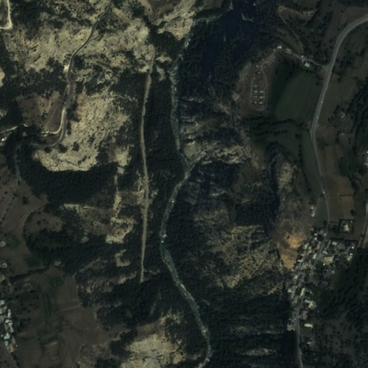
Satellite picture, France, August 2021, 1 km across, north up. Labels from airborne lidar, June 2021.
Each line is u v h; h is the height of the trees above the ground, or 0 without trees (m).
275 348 8
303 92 0
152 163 15
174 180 10
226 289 8
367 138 0
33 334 0
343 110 8
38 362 0
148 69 8
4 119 10
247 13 8
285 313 15
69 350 0
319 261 0
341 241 9
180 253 10
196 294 9
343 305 9
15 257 0
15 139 9
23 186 0
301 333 0
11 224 0
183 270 7
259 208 10
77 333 0
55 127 0
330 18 7
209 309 10
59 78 6
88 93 7
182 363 8
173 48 7
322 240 14
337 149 0
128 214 9
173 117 0
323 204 0
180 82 12
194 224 6
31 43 0
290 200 0
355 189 11
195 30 15
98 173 14
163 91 14
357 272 8
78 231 9
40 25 7
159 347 0
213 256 7
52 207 11
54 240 12
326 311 11
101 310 8
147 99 10
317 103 0
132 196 0
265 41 11
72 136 0
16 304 0
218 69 11
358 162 0
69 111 9
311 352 8
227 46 13
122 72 7
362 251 9
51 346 0
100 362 12
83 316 0
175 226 16
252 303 11
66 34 0
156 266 14
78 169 8
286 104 0
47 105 0
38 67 0
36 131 12
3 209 0
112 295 6
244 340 11
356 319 11
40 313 0
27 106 0
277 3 8
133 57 7
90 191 10
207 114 9
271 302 10
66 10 8
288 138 0
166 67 9
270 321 8
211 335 10
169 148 11
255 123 0
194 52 12
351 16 0
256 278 8
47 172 15
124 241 13
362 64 0
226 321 12
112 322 8
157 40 8
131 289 13
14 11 8
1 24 6
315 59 6
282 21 10
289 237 0
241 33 9
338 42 0
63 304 0
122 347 8
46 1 8
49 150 9
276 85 0
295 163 8
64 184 14
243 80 0
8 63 11
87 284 9
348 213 0
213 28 6
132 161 13
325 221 7
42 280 0
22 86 7
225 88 12
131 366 0
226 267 6
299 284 0
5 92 14
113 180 9
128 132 9
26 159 19
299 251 10
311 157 0
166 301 8
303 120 0
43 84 10
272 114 0
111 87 6
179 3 0
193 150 0
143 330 0
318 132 0
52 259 12
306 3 0
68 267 11
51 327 0
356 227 0
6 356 0
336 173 0
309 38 6
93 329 0
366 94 8
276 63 0
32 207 0
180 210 11
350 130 0
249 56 13
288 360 13
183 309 8
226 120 7
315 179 0
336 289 0
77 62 6
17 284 0
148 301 16
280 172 0
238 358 16
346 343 6
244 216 9
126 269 12
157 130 16
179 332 8
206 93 7
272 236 0
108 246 11
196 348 8
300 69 10
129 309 6
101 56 9
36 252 20
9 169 8
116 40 0
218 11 12
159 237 7
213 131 8
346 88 0
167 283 12
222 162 12
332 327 6
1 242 0
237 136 12
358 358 7
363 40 0
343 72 0
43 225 0
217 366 12
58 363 0
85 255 14
